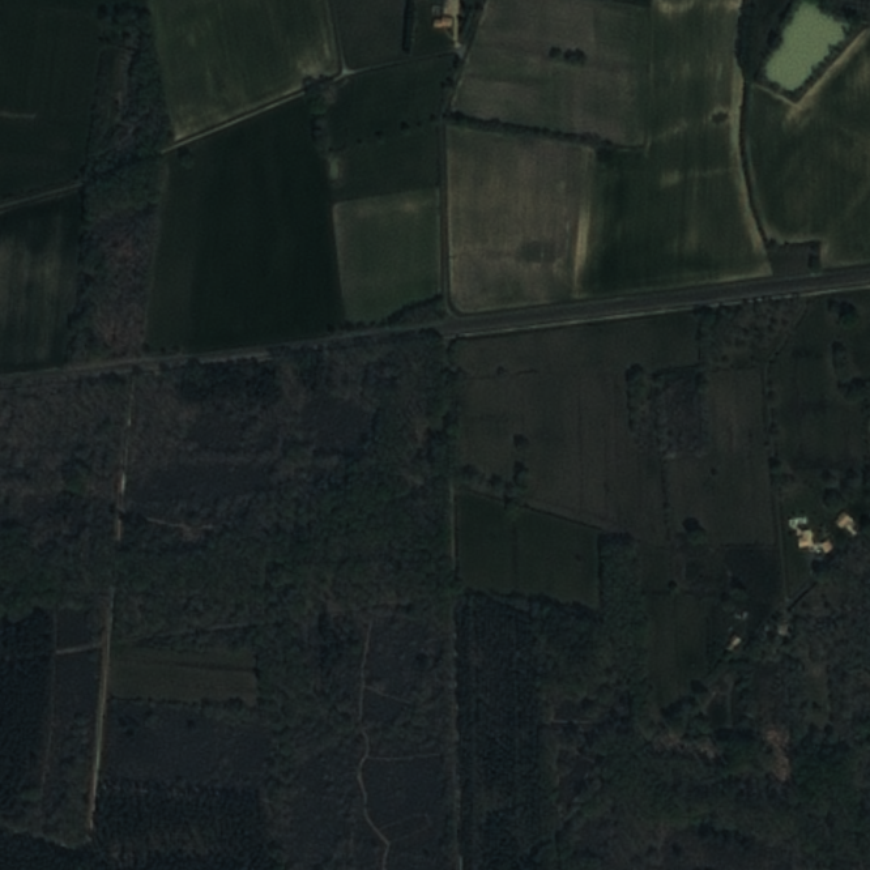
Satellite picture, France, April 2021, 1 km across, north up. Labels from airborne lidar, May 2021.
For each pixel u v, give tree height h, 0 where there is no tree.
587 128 0
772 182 0
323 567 21
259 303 0
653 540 0
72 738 7
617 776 22
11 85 0
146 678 0
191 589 16
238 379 14
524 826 18
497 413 0
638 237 0
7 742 16
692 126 0
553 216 0
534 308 0
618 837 13
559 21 0
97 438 10
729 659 9
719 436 0
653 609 0
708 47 0
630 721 12
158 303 0
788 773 0
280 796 15
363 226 0
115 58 0
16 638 18
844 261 0
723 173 0
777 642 11
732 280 0
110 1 0
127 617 11
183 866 20
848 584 13
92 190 18
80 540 13
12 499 14
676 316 0
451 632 14
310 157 0
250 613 13
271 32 0
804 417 0
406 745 8
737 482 0
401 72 0
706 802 22
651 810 20
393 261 0
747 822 22
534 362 0
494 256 0
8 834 15
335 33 0
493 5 0
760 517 0
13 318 0
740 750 21
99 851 19
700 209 0
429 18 0
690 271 0
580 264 0
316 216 0
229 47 0
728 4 0
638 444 7
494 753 15
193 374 14
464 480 16
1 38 0
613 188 0
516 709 14
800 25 0
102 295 12
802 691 18
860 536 7
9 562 24
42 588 24
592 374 0
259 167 0
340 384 14
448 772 13
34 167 0
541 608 17
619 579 24
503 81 0
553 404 0
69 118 0
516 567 0
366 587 15
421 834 0
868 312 0
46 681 15
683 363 0
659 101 0
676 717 18
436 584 17
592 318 0
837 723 12
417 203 0
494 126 9
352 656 5
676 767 24
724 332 14
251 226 0
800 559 0
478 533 0
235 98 0
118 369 0
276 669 23
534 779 17
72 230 0
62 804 12
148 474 7
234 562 18
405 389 21
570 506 0
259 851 20
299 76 0
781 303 9
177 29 0
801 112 0
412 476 19
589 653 27
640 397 14
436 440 20
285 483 12
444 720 15
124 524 13
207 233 0
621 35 0
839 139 0
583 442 0
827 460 0
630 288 0
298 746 10
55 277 0
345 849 12
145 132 16
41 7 0
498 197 0
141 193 25
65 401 16
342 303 0
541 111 0
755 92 0
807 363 0
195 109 0
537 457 0
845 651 11
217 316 0
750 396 0
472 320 0
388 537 23
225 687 0
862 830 23
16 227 0
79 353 17
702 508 0
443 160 0
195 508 7
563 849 19
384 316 0
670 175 0
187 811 20
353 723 14
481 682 14
